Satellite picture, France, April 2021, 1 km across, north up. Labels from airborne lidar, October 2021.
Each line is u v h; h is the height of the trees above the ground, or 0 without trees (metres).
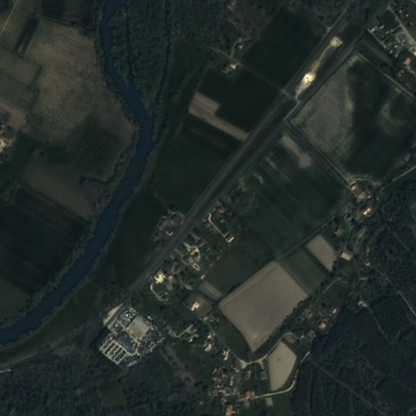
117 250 0
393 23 0
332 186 0
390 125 0
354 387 10
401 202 14
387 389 16
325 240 0
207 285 0
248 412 0
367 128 0
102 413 8
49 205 0
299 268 0
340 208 0
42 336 0
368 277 8
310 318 0
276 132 0
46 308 0
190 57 0
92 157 14
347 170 0
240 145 0
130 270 0
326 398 9
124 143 15
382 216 17
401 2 11
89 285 0
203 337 7
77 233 0
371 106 0
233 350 0
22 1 12
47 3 0
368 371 8
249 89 0
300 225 0
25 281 0
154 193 18
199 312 0
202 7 21
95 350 15
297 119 0
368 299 11
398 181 0
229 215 13
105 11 0
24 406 15
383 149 0
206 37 21
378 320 16
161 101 17
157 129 11
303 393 15
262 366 0
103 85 17
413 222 6
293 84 0
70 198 16
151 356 10
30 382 21
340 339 13
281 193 0
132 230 0
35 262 0
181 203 0
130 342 0
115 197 0
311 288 0
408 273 7
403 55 10
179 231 0
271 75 0
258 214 0
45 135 15
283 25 0
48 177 15
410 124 0
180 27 27
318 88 0
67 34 14
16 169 0
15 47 0
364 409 8
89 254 0
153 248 0
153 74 30
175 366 16
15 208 0
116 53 13
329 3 26
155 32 24
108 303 0
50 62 13
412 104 0
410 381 17
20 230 0
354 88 0
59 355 0
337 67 0
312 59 0
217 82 0
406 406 15
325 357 9
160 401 10
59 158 0
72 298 21
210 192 0
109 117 14
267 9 0
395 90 0
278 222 0
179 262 6
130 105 0
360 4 6
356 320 13
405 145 0
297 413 14
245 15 15
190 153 0
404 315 16
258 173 0
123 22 10
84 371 13
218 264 0
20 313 11
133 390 11
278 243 0
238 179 0
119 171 17
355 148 0
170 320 13
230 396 0
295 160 0
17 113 0
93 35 19
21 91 13
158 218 0
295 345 0
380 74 0
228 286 0
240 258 0
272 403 0
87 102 19
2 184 0
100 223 0
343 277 9
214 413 0
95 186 25
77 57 21
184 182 0
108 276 0
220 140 0
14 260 0
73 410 25
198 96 0
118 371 12
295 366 0
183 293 6
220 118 0
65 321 0
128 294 13
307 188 0
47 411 17
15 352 0
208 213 0
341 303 0
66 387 23
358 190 0
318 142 0
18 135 0
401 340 19
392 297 9
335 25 0
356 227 7
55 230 0
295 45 0
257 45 0
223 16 27
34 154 18
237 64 0
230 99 0
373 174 0
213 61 8
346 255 0
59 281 15
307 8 17
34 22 0
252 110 0
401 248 9
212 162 0
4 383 22
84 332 9
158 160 0
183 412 12
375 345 13
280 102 0
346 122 0
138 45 23
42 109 12
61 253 0
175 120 0
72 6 0
